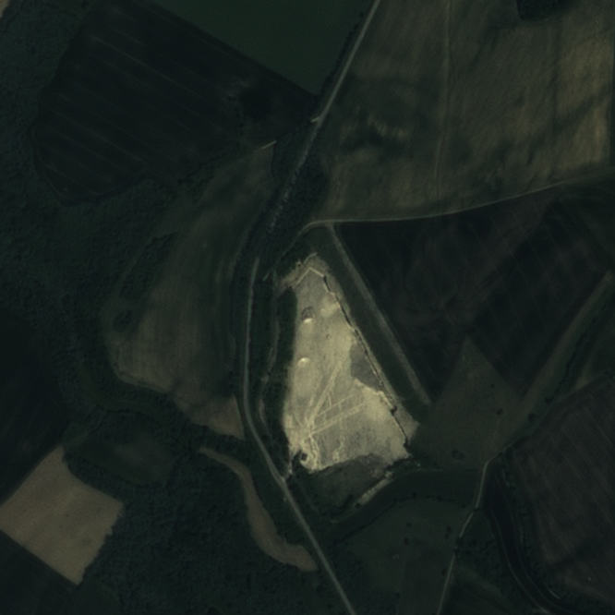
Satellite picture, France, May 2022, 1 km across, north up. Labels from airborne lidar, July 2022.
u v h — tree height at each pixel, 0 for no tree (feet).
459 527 0
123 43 0
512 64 0
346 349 0
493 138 0
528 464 0
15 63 57
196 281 0
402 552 0
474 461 0
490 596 0
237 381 51
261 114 0
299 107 0
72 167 0
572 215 0
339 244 0
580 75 0
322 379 0
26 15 65
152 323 0
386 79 0
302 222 41
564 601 37
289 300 29
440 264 0
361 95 0
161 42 0
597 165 0
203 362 0
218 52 0
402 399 0
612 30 0
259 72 0
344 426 0
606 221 0
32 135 0
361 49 0
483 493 0
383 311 0
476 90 0
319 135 44
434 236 0
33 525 0
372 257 0
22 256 58
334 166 0
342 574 49
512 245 0
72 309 60
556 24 0
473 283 0
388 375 0
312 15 0
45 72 58
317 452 0
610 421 0
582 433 0
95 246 19
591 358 0
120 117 0
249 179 0
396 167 0
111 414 29
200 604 60
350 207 0
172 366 0
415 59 0
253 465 55
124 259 27
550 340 0
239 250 0
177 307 0
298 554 0
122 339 0
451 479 0
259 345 43
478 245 0
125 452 0
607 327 0
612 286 0
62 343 29
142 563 78
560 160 0
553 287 0
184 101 0
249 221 0
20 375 0
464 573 0
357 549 0
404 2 0
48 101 0
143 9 0
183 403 0
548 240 0
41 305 48
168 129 0
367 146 0
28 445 0
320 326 0
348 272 0
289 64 0
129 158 0
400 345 0
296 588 47
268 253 63
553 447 0
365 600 21
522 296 0
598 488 0
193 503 65
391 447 0
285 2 0
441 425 0
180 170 0
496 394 0
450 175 0
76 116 0
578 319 0
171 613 55
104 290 36
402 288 0
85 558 0
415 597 0
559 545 0
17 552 0
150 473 0
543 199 0
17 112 68
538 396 0
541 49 0
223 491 49
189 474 71
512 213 0
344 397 0
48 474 0
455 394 0
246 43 0
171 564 53
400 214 0
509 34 0
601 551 0
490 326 0
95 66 0
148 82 0
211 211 0
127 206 37
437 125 0
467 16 0
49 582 0
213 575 65
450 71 0
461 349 0
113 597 0
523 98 0
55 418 0
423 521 0
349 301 0
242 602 59
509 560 0
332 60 0
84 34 0
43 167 0
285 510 40
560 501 0
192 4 0
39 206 64
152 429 26
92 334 35
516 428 0
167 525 81
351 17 0
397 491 0
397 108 0
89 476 55
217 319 0
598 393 0
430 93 0
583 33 0
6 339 0
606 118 0
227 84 0
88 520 0
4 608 0
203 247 0
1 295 41
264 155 0
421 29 0
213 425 0
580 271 0
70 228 47
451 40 0
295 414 0
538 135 0
